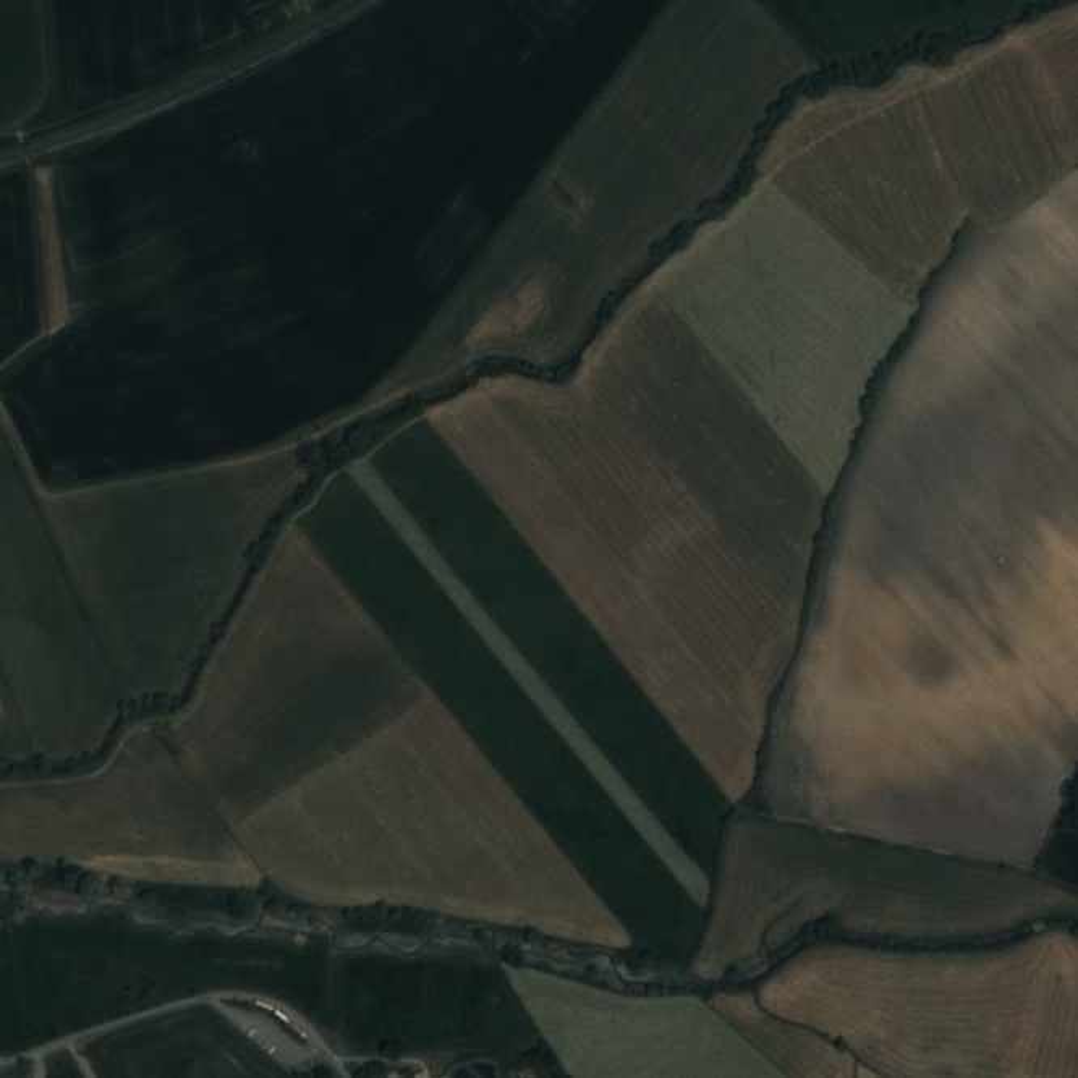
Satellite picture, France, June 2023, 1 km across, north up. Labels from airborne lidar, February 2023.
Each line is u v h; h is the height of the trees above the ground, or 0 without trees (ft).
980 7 0
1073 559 0
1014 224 0
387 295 0
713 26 0
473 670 0
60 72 0
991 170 0
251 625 0
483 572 0
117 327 0
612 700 0
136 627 0
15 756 0
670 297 0
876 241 0
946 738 0
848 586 0
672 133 0
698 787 0
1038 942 0
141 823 0
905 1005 0
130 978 0
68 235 0
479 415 0
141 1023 0
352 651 0
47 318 0
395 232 0
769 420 0
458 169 0
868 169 0
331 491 0
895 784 0
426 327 0
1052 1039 0
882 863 0
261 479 0
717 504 0
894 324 0
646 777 0
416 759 0
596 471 0
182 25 0
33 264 0
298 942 0
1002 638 0
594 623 0
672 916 0
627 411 0
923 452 0
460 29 0
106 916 0
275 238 0
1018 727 0
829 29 0
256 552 34
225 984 0
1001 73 0
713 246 0
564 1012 0
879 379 31
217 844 0
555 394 0
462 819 0
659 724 0
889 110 0
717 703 0
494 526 0
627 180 0
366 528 0
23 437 0
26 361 0
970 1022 0
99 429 0
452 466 0
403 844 0
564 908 0
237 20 0
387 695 0
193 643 0
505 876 0
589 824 0
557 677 0
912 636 0
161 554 0
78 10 0
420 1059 0
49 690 0
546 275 0
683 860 0
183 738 0
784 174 0
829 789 0
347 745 0
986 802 0
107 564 0
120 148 0
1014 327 0
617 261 0
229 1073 0
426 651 0
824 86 52
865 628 0
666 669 0
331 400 0
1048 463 0
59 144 0
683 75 0
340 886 0
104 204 0
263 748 0
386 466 0
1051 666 0
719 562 0
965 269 0
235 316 0
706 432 0
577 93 0
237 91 0
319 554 0
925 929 0
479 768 0
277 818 0
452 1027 0
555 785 0
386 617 0
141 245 0
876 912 0
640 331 0
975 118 0
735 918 0
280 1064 0
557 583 0
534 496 0
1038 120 0
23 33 0
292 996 0
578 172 0
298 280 0
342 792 0
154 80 0
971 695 0
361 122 0
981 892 0
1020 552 0
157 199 0
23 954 0
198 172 0
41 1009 0
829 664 0
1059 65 0
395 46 0
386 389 0
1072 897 0
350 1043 0
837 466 0
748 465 0
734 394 0
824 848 0
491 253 0
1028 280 0
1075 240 0
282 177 0
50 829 0
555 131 0
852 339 0
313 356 0
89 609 0
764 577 0
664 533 0
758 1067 0
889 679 0
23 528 0
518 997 0
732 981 33
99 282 0
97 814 0
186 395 0
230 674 0
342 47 0
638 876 0
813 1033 0
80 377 0
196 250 0
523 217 0
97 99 0
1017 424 0
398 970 0
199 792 0
